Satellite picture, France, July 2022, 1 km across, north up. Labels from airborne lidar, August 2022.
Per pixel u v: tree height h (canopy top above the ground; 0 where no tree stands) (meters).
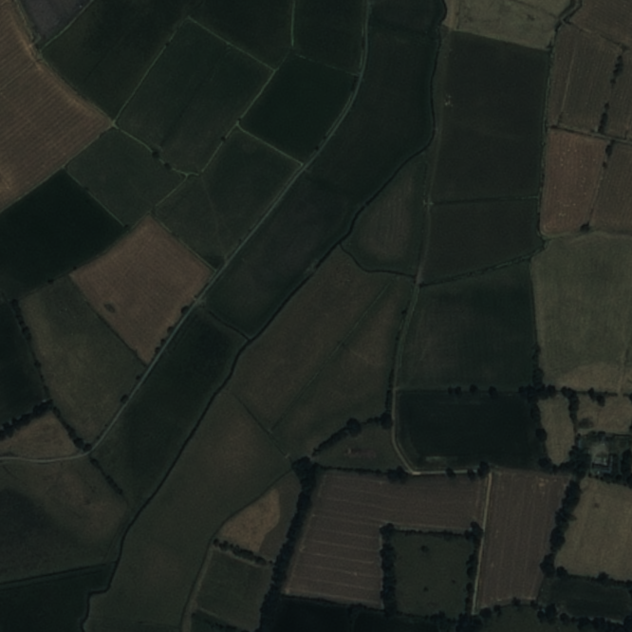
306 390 0
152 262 0
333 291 0
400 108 0
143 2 0
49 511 0
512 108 0
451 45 0
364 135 0
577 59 0
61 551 0
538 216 0
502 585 0
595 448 0
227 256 0
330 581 0
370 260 0
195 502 0
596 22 0
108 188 0
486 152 0
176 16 0
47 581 0
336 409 0
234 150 0
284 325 0
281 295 0
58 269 0
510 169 0
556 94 0
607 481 7
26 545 0
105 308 0
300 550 0
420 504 0
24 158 0
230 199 0
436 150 0
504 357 0
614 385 0
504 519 0
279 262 0
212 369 0
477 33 0
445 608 0
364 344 0
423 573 0
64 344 0
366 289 0
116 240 0
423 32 0
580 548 0
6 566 0
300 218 0
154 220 0
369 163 0
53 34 0
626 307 0
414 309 0
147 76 0
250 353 0
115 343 0
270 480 0
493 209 0
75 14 0
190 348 0
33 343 0
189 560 0
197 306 0
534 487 0
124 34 0
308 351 0
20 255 0
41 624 0
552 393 17
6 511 0
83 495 0
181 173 0
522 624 0
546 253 0
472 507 0
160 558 0
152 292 0
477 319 0
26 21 0
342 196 0
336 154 0
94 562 0
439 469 0
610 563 0
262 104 0
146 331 0
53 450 0
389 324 0
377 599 0
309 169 0
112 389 0
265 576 0
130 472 0
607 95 0
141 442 0
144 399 0
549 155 0
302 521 17
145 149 0
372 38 0
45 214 0
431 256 0
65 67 0
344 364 0
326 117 0
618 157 0
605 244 0
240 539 0
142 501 0
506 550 0
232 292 0
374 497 0
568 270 0
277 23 0
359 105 0
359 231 0
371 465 0
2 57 0
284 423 0
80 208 0
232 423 0
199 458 0
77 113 0
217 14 0
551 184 0
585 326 0
